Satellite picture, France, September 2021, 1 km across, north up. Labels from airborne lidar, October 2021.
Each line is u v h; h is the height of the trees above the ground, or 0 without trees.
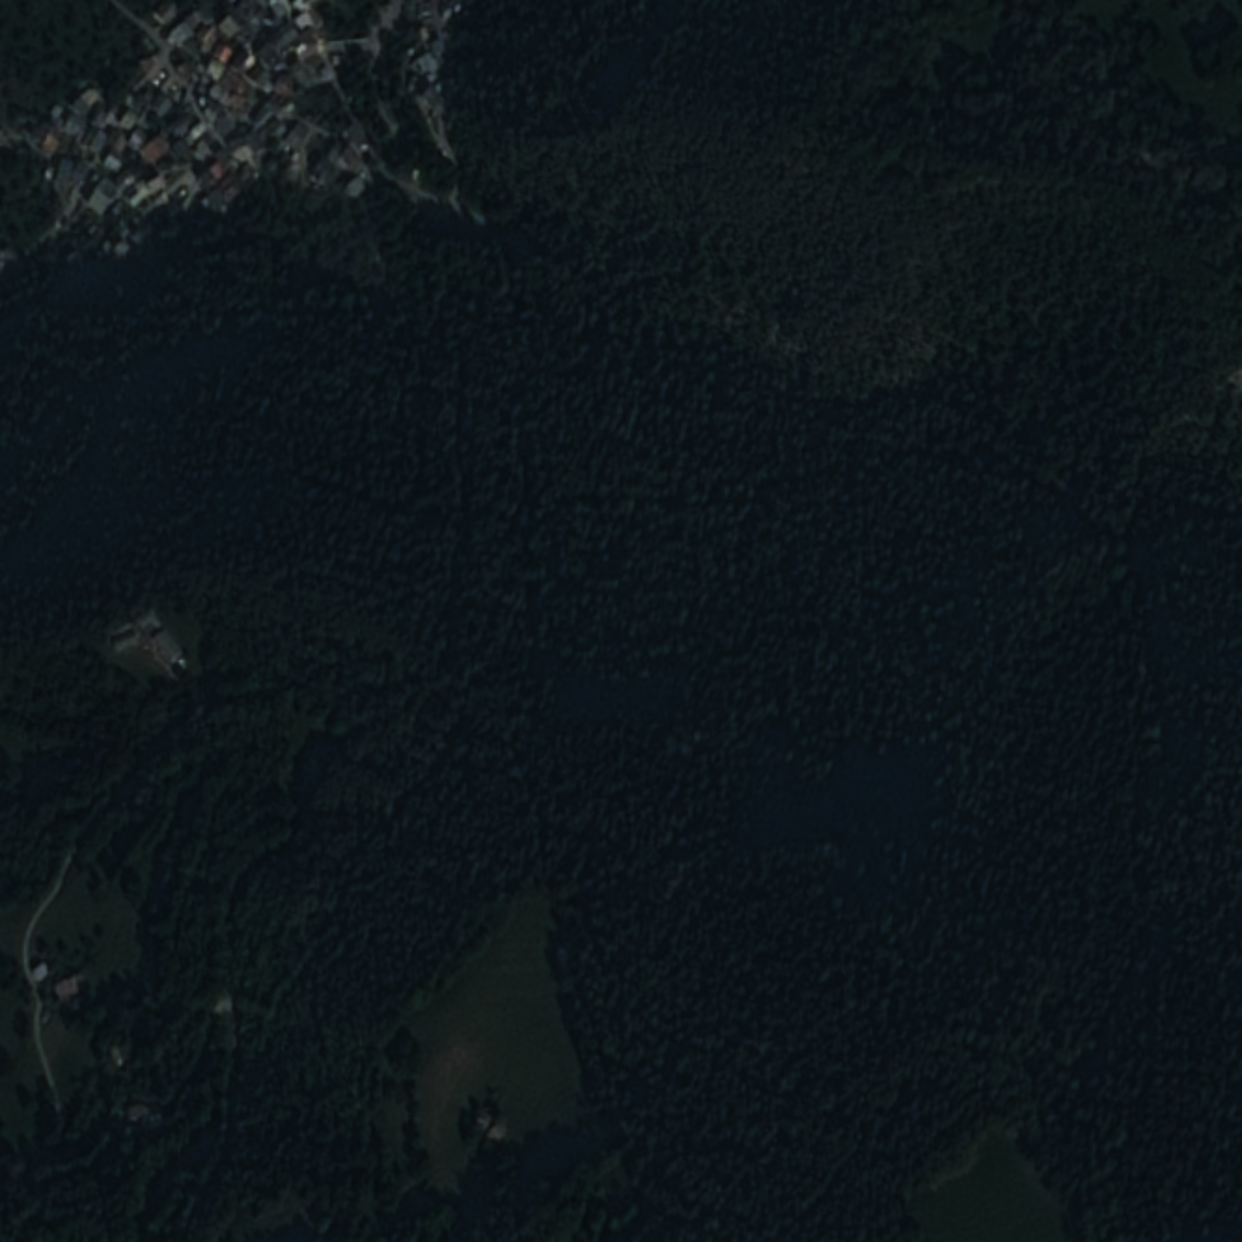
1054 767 25
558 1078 0
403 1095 14
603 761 30
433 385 28
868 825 12
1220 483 5
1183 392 18
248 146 0
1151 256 16
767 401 34
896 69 23
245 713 12
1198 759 35
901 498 26
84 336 31
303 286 14
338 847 27
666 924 29
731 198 16
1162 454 16
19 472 29
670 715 18
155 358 14
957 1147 24
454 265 28
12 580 28
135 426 26
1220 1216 24
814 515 21
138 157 7
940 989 25
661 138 17
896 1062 31
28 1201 20
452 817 12
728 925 28
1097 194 16
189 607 17
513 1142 0
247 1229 0
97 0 8
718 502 28
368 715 21
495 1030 0
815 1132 28
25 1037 11
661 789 26
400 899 27
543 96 30
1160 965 28
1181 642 24
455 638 27
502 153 11
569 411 29
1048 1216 0
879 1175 29
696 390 27
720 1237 27
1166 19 0
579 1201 20
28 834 29
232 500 24
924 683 29
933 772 16
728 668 27
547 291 33
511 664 25
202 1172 22
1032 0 19
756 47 24
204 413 25
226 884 17
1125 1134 27
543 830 27
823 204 17
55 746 19
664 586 18
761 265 21
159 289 16
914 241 13
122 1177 18
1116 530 21
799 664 28
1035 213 15
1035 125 29
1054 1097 23
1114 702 29
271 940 16
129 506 24
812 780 27
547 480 28
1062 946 25
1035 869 31
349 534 26
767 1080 26
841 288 22
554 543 27
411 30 8
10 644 20
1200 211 25
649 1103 21
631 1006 29
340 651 11
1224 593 23
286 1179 19
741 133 17
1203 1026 21
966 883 34
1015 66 23
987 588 20
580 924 13
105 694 17
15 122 8
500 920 15
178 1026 24
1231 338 14
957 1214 0
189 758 22
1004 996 24
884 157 20
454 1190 0
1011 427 35
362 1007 24
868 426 19
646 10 15
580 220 16
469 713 24
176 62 6
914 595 16
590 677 19
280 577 22
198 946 18
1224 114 0
